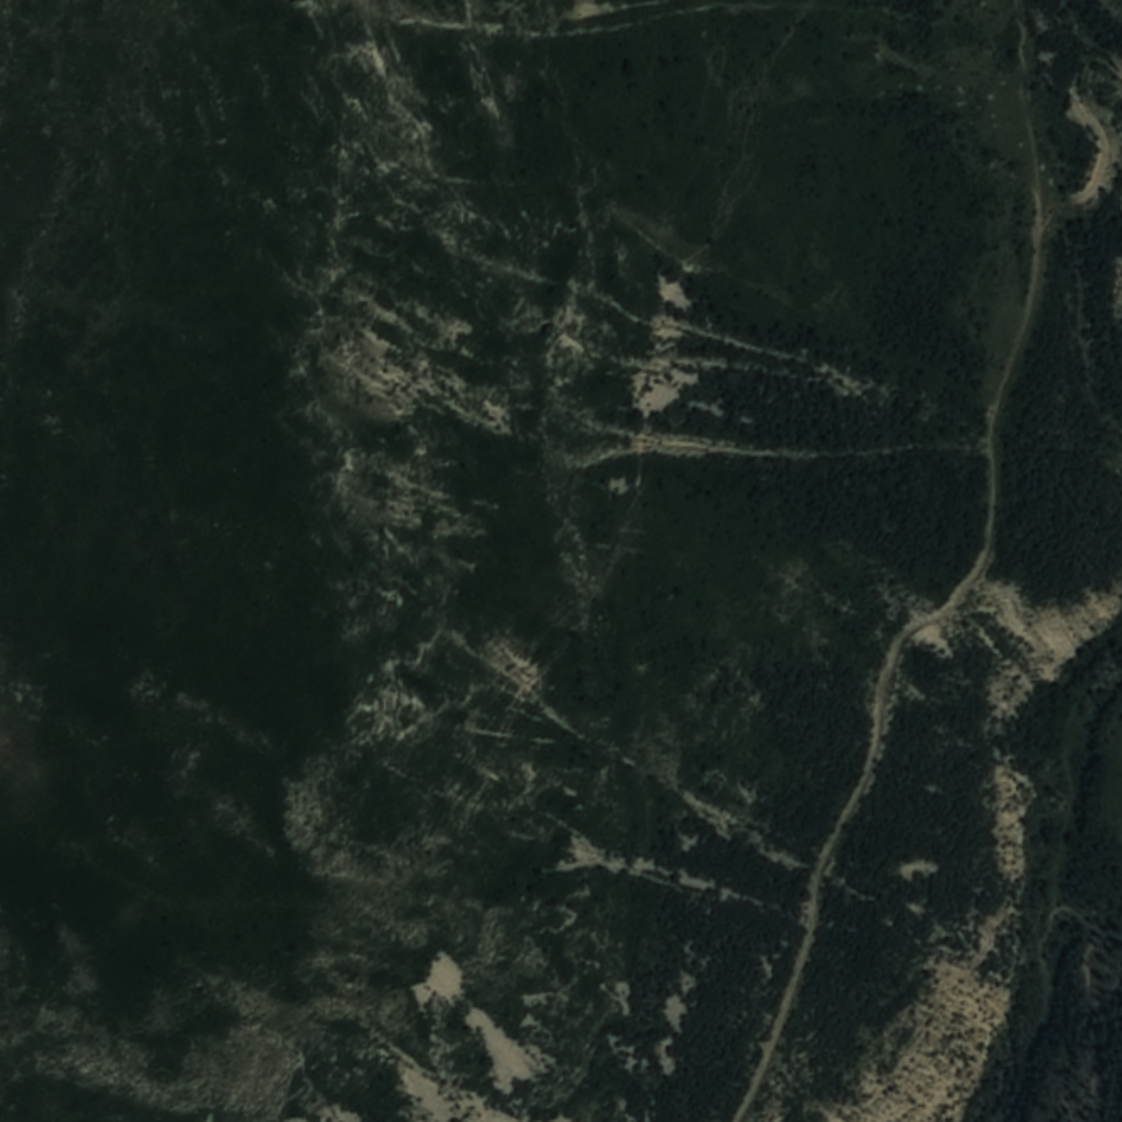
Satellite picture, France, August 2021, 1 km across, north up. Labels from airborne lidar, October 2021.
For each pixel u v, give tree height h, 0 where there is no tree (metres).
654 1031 10
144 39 0
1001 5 0
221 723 0
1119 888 7
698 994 8
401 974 0
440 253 0
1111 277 6
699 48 0
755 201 0
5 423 0
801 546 6
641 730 0
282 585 0
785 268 0
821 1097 7
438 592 0
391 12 0
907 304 8
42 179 0
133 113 0
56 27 0
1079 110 0
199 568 0
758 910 7
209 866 0
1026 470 10
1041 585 9
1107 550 8
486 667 0
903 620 8
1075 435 6
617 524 0
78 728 0
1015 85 0
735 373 8
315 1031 0
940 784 8
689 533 0
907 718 8
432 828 0
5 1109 0
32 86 0
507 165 0
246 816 0
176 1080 0
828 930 7
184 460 0
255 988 0
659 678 0
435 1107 0
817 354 8
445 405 0
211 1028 0
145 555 0
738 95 0
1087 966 15
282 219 0
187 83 0
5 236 0
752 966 11
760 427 10
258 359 0
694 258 0
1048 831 10
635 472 0
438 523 0
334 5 0
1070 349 6
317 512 0
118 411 0
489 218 0
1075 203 0
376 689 0
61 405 0
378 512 0
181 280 0
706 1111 9
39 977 0
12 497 0
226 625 0
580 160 0
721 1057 9
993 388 0
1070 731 0
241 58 0
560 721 0
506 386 0
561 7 0
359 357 0
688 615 0
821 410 8
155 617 0
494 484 0
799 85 0
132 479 0
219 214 0
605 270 0
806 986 7
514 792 0
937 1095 0
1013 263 0
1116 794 0
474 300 0
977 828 7
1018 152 0
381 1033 0
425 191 0
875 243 0
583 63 0
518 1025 0
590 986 0
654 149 0
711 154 0
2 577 0
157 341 0
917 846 7
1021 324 0
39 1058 0
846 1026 9
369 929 0
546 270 0
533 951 0
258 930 8
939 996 0
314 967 0
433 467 0
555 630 0
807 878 12
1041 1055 17
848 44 0
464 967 0
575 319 0
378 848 0
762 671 8
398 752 0
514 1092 6
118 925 0
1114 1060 14
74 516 0
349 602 0
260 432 0
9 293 0
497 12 0
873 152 0
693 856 8
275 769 0
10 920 0
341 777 0
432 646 0
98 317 0
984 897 8
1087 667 8
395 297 0
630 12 0
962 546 9
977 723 7
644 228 0
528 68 0
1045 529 8
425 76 0
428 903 0
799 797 6
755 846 9
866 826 8
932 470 9
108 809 0
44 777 0
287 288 0
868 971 10
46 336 0
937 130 7
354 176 0
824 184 0
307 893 0
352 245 0
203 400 0
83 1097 0
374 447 0
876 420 6
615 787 0
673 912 6
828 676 9
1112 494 6
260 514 0
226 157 0
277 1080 0
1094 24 9
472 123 0
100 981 0
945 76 0
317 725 0
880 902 9
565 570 0
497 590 0
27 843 0
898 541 8
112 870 0
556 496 0
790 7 0
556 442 0
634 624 0
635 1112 8
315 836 0
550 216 0
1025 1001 7
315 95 0
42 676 0
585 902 0
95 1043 0
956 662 6
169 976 0
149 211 0
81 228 0
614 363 0
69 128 0
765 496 10
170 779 0
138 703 0
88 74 0
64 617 0
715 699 8
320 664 0
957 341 10
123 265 0
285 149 0
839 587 9
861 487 10
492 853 0
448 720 0
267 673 0
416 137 0
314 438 0
